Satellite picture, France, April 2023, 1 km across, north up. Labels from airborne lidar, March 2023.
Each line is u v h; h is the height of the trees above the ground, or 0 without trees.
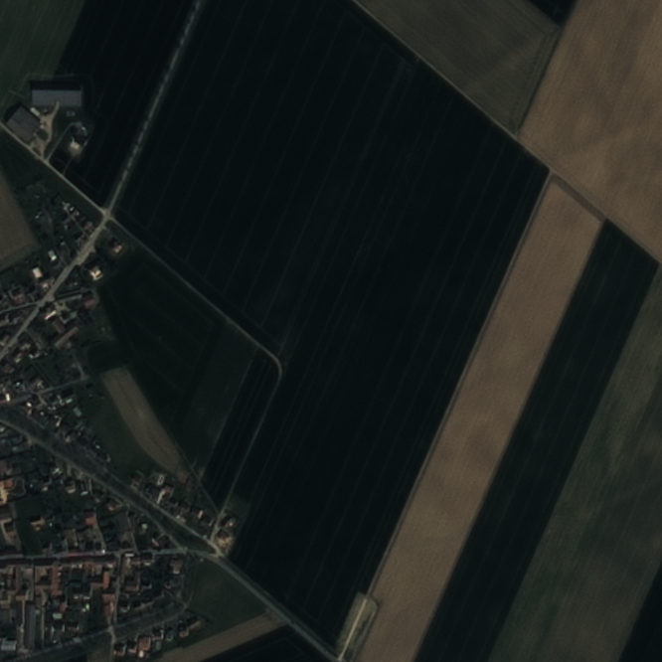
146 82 0
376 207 0
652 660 0
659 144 0
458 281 0
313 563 0
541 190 0
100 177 0
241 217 0
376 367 0
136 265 0
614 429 0
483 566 0
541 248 0
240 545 0
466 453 0
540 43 0
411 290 0
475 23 0
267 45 0
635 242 0
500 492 0
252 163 0
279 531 0
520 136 0
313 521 0
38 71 0
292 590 0
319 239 0
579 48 0
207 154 0
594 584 0
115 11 0
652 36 0
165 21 0
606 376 0
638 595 0
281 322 0
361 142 0
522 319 0
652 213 0
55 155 0
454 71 0
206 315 0
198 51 0
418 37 0
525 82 0
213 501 0
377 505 0
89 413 0
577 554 0
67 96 0
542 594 0
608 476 0
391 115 0
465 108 0
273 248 0
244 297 0
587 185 0
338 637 0
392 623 0
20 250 0
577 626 0
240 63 0
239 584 0
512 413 0
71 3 0
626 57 0
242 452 0
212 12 0
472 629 0
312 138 0
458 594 0
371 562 0
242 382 0
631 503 0
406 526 0
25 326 0
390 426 0
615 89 0
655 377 0
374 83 0
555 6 0
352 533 0
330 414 0
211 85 0
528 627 0
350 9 0
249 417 0
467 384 0
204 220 0
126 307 0
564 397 0
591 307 0
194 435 0
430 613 0
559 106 0
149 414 0
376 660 0
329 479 0
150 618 14
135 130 0
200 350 0
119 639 11
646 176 0
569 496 0
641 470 0
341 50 0
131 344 0
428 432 0
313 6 0
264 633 0
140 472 0
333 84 0
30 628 0
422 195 0
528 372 0
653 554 0
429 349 0
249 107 0
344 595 0
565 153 0
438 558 0
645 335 0
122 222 0
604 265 0
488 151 0
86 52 0
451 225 0
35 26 0
